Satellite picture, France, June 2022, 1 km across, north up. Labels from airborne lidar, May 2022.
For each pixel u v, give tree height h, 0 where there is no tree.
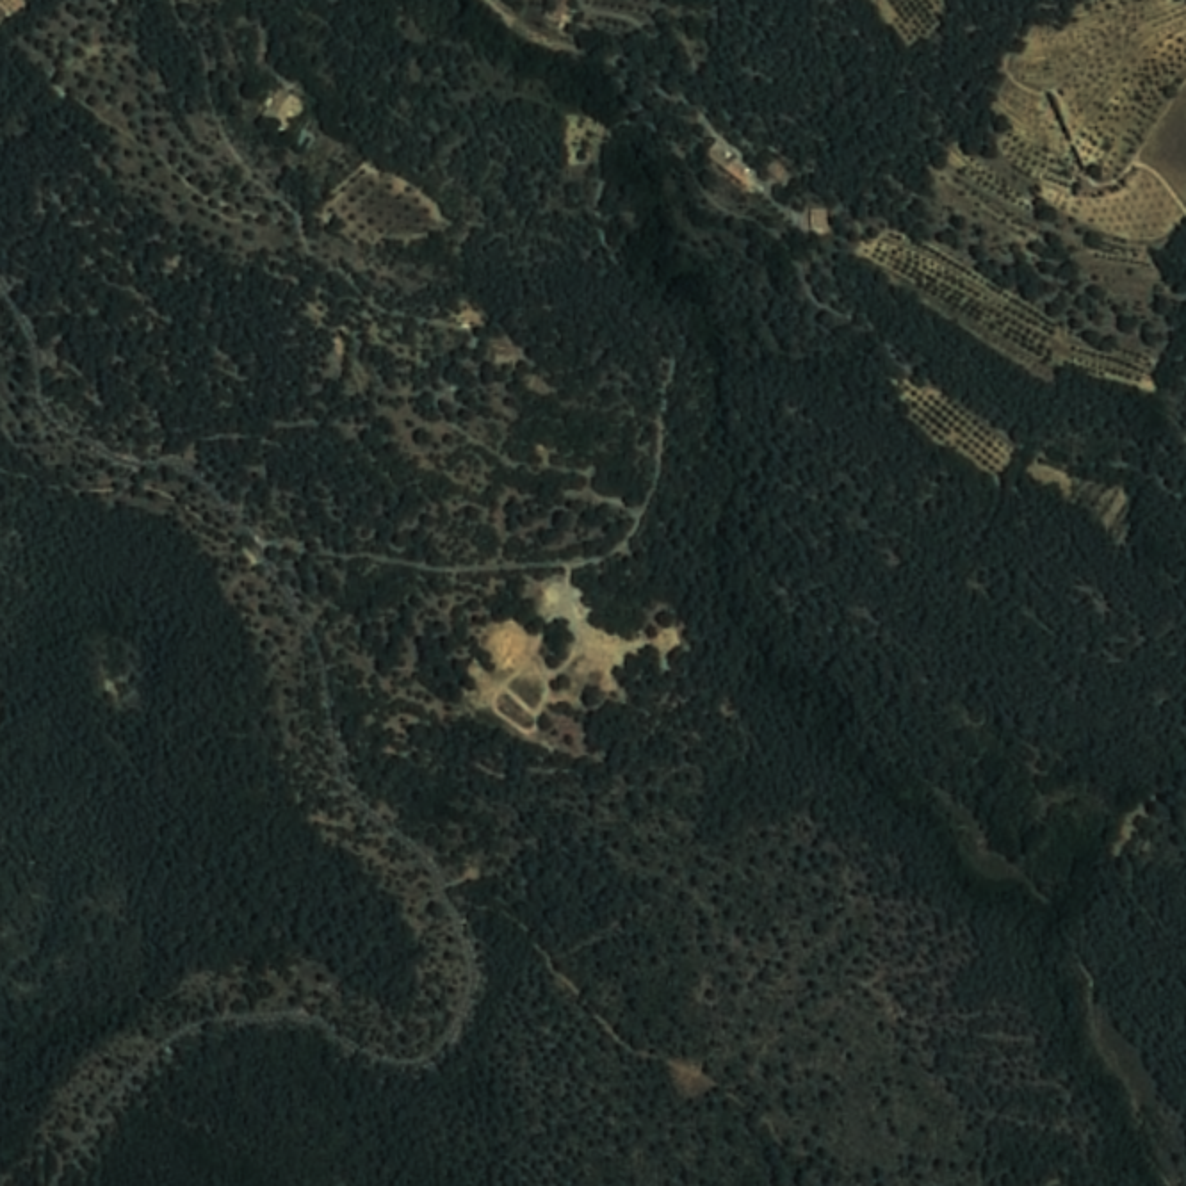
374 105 14
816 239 11
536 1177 14
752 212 7
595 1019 8
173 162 6
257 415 14
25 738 8
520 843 12
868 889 15
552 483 9
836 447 15
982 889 6
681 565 21
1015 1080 17
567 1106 13
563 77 18
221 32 14
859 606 17
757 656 8
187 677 13
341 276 10
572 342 7
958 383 12
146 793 14
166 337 7
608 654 0
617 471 6
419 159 12
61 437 7
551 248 12
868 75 17
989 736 6
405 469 7
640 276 26
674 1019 14
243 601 11
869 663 14
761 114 15
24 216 14
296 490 14
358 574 8
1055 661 14
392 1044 7
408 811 7
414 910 6
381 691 6
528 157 14
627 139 11
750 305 18
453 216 7
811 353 14
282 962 11
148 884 15
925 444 18
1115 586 14
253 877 18
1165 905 12
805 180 8
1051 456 10
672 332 14
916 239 18
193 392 17
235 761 13
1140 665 17
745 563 17
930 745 16
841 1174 16
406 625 18
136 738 12
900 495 10
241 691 7
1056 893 9
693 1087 0
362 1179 7
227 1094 10
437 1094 16
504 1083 10
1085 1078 18
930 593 17
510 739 11
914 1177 11
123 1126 12
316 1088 14
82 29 9
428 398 12
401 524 17
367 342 9
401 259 9
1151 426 11
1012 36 14
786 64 14
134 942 16
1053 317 13
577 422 7
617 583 8
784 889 14
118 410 18
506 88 10
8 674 8
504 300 14
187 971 16
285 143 12
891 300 11
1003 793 19
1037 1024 17
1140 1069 0
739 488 11
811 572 18
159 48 13
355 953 16
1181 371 14
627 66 22
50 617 14
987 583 18
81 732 15
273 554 13
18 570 9
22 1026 8
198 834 17
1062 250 16
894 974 12
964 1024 15
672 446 8
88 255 14
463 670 16
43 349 7
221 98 9
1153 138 0
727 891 15
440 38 8
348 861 15
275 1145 9
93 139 12
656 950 15
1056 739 16
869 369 12
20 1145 9
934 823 15
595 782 15
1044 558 15
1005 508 16
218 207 8
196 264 14
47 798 7
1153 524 17
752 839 7
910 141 17
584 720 7
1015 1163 12
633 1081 15
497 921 17
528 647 0
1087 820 9
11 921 8
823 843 16
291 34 10
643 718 8
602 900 16
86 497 14
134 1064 7
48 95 8
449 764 15
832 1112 7
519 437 6
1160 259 14
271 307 13
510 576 7
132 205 6
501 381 11
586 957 9
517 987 12
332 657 6
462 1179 16
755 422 7
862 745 17
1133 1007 14
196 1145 9
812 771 18
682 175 8
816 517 18
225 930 16
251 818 13
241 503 14
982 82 16
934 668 15
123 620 13
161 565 16
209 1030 15
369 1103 15
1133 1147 9
